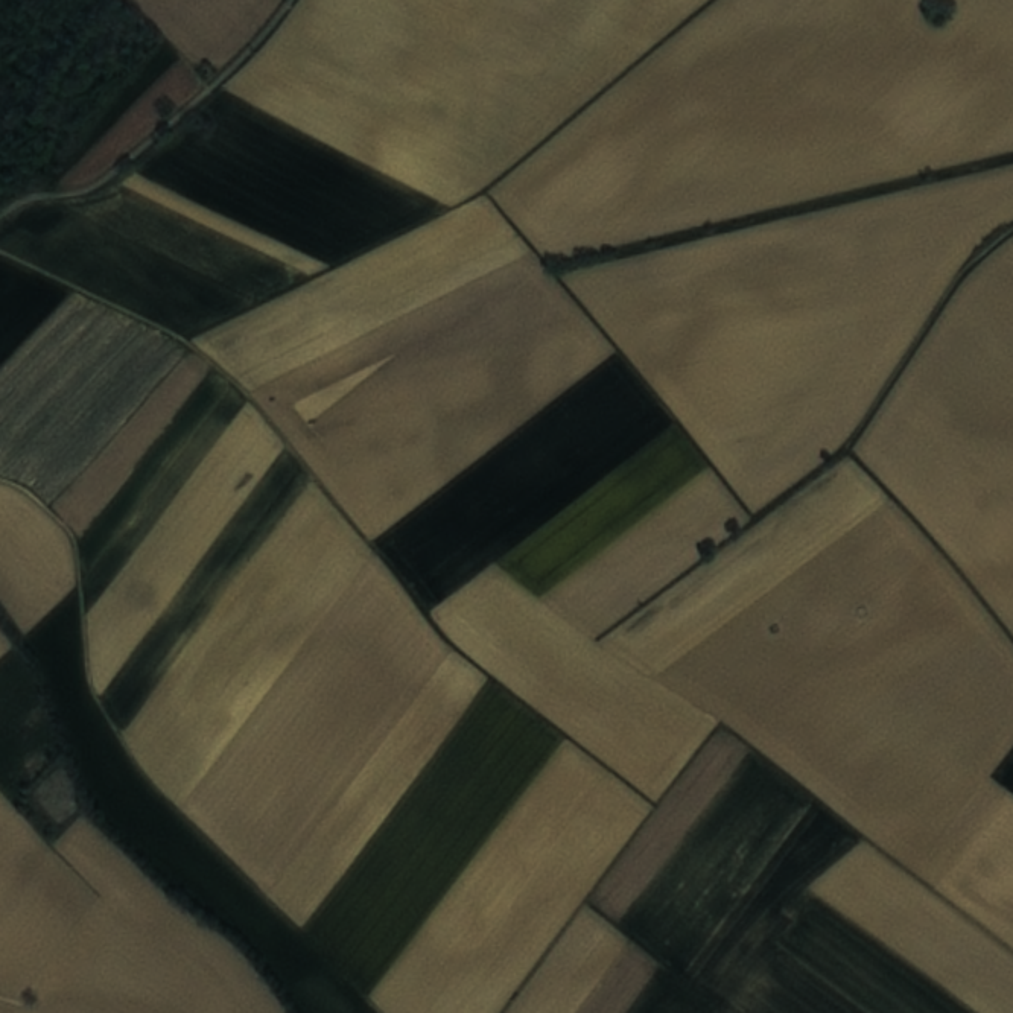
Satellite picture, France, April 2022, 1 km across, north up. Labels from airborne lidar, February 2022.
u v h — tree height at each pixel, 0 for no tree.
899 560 0
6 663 0
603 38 0
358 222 0
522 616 0
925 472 0
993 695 0
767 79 0
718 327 0
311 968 0
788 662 0
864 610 0
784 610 0
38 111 23
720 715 0
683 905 0
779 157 0
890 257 0
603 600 0
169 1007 0
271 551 0
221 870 0
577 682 0
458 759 0
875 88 0
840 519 0
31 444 0
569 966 0
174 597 0
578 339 0
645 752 0
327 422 0
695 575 0
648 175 0
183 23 0
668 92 0
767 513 0
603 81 0
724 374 0
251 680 0
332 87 0
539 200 0
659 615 0
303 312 0
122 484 0
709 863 0
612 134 0
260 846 0
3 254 0
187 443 0
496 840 0
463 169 0
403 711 0
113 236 0
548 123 0
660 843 0
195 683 0
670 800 0
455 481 0
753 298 0
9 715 0
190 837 0
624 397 0
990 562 0
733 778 0
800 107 0
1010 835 0
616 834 0
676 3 0
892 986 0
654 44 0
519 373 0
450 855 0
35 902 0
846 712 0
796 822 0
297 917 0
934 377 0
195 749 0
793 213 0
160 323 0
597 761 0
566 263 13
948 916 0
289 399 0
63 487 0
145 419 0
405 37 0
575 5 0
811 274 0
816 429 0
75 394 0
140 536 0
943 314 0
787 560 0
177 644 0
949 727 0
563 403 0
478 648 0
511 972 0
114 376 0
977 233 0
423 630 0
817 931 0
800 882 0
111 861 0
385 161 0
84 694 0
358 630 0
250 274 0
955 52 0
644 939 0
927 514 0
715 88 0
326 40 0
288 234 0
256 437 0
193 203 0
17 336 0
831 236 0
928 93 0
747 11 0
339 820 0
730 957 0
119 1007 0
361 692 0
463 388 0
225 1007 0
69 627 0
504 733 0
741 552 0
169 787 0
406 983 0
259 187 0
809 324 0
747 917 0
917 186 0
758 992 0
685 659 0
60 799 0
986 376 0
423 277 0
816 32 0
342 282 0
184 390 0
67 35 27
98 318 0
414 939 0
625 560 0
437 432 0
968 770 0
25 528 0
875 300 0
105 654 0
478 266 0
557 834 0
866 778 0
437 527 0
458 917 0
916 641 0
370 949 0
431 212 0
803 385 0
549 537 0
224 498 0
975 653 0
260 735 0
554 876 0
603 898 0
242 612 0
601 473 0
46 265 0
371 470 0
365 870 0
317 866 0
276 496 0
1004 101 0
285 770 0
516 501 0
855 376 0
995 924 0
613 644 0
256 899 0
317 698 0
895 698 0
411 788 0
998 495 0
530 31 0
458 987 0
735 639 0
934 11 14
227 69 0
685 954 0
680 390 0
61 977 0
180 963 0
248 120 0
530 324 0
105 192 0
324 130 0
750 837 0
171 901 15
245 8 0
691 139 0
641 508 0
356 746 0
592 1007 0
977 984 0
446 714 0
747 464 0
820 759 0
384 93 0
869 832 0
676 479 0
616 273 0
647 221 0
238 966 0
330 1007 0
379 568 0
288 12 0
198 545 0
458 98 0
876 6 0
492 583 0
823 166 0
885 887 0
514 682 0
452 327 0
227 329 0
